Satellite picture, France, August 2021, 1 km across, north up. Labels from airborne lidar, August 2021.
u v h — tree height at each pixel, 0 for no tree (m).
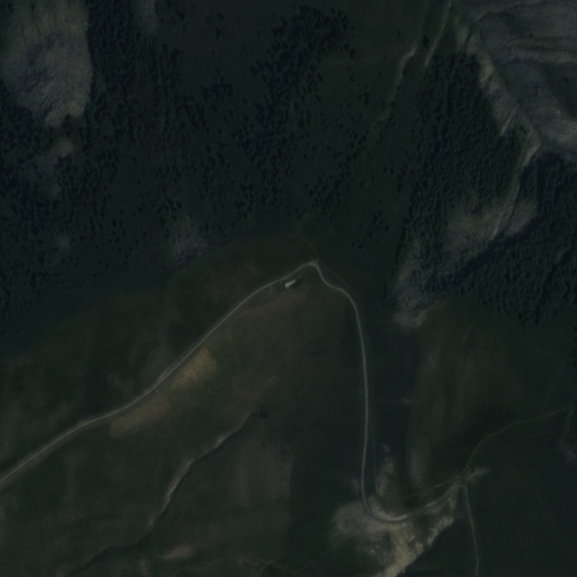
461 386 0
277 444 0
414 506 0
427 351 0
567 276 24
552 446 0
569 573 0
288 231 0
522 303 18
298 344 0
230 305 0
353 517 0
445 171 17
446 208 10
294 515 0
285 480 0
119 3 16
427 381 0
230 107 0
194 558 0
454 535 0
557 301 11
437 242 8
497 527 0
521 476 0
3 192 9
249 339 0
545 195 21
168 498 0
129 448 0
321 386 0
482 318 0
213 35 0
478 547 0
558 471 0
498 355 0
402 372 0
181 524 0
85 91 0
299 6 0
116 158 7
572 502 0
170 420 0
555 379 0
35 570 0
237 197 0
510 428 0
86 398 0
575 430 0
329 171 0
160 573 0
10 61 0
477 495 0
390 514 0
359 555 0
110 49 17
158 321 0
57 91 0
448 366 0
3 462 0
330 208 13
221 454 0
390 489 0
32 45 0
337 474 0
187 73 0
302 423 0
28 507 0
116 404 0
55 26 0
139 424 0
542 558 0
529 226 0
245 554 0
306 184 0
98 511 0
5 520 0
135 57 12
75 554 0
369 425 0
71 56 0
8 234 10
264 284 0
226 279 0
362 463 0
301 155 0
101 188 10
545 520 0
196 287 0
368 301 0
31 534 0
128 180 0
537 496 0
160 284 0
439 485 0
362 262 0
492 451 0
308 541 0
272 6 0
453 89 14
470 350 0
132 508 0
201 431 0
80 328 0
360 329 0
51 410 0
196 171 5
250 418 0
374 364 0
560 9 0
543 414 0
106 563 0
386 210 0
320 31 16
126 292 0
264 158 8
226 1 0
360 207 0
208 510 0
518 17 0
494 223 0
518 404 0
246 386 0
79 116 0
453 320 0
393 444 0
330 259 0
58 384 0
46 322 0
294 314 0
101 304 0
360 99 8
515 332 0
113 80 14
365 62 0
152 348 0
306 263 0
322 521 0
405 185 12
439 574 0
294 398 0
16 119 9
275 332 0
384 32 0
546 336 0
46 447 0
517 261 22
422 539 0
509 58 0
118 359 0
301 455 0
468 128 12
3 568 0
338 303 0
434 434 0
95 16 12
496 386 0
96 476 0
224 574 0
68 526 0
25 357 0
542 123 0
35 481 0
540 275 17
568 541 0
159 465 0
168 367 0
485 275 24
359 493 0
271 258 0
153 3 0
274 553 0
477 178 14
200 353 0
